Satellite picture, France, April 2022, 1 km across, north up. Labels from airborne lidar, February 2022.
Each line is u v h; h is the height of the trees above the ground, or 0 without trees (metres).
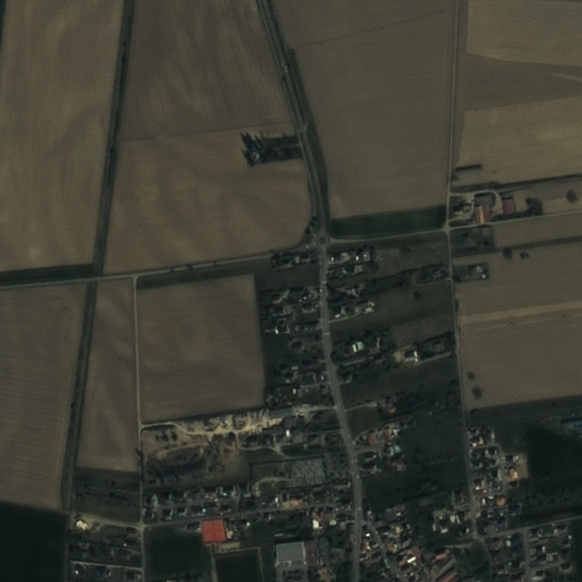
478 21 0
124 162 0
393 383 0
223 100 0
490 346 0
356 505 0
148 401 0
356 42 0
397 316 0
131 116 0
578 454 0
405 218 0
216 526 0
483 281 0
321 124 0
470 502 0
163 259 0
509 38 0
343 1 0
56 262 0
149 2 0
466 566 0
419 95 0
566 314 0
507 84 0
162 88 0
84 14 0
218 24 0
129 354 0
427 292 0
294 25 0
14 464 0
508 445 0
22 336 0
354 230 0
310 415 0
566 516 0
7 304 0
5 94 0
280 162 0
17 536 0
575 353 0
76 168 0
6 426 0
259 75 0
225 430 0
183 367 0
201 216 0
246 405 0
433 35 0
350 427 0
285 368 11
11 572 0
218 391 0
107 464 0
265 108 0
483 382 0
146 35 0
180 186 0
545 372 0
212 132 0
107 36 0
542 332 0
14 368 0
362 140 0
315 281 0
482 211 0
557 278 0
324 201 0
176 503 0
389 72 0
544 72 0
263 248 0
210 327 0
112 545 7
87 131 0
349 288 0
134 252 0
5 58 0
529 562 0
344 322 0
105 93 0
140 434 0
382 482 0
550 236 0
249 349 0
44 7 0
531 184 0
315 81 0
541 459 0
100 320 0
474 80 0
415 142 0
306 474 0
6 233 0
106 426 0
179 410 0
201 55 0
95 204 0
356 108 0
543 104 0
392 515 0
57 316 0
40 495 0
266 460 0
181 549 0
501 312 0
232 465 0
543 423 0
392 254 0
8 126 0
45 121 0
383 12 0
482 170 0
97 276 0
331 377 0
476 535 0
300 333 0
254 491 0
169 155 0
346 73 0
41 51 0
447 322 0
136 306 0
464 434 0
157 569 0
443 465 0
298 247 0
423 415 0
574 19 0
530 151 0
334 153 0
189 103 0
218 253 0
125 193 0
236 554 0
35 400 0
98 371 0
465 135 0
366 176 0
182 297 0
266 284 0
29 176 0
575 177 0
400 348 0
